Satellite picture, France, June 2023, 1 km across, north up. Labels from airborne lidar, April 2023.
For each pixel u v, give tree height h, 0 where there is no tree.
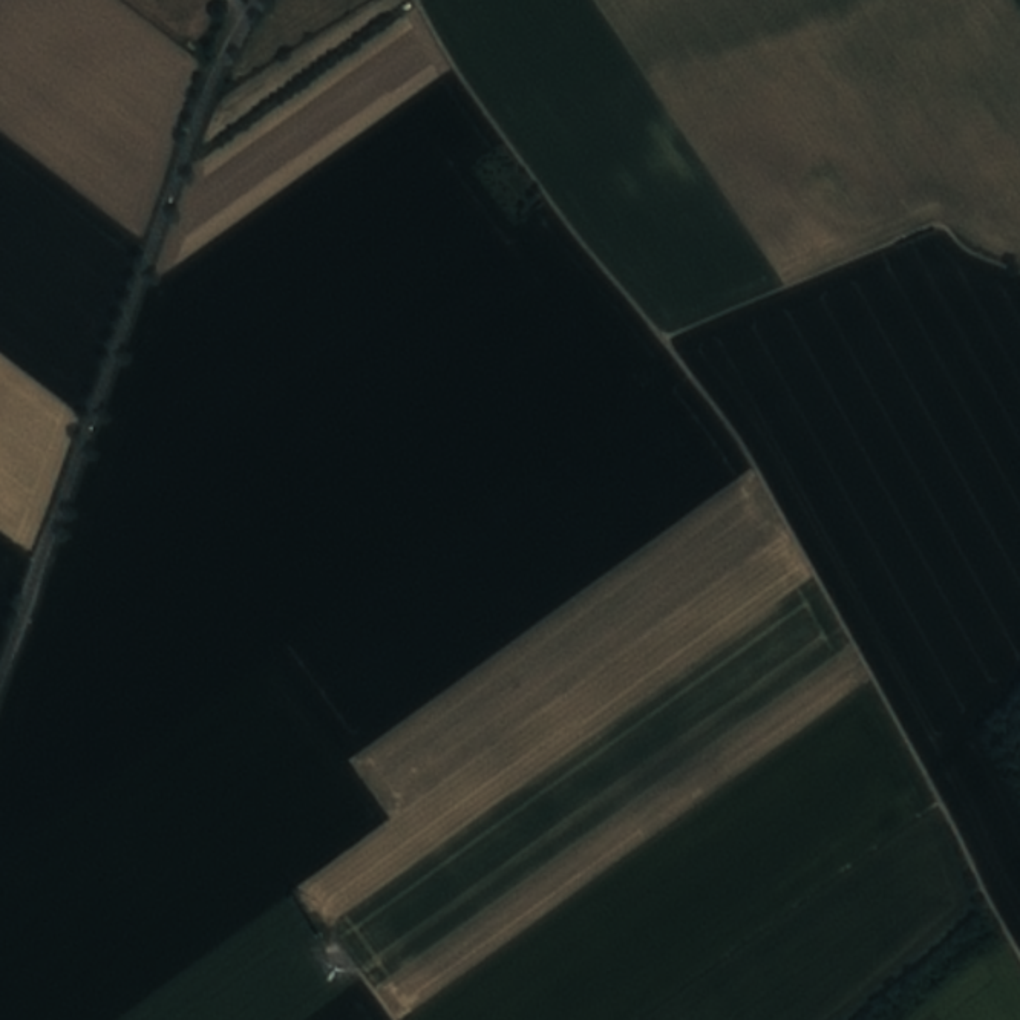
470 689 0
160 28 0
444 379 0
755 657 0
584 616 0
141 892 0
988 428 0
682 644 0
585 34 0
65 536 11
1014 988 0
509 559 0
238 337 0
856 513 0
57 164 0
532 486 0
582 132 0
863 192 0
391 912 0
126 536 0
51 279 0
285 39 0
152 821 0
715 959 0
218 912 0
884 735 0
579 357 0
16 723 0
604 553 0
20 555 0
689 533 0
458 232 0
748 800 0
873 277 0
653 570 0
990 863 0
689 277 0
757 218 0
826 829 0
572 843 0
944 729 0
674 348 0
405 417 0
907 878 0
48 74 0
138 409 0
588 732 0
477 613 0
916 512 0
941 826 0
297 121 0
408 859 0
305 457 0
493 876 0
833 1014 0
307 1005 0
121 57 0
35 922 0
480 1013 0
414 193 0
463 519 0
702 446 0
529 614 0
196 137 0
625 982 0
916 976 13
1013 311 0
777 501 0
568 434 0
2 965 0
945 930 0
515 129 0
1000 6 0
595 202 0
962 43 0
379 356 0
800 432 0
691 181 0
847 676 0
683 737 0
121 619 0
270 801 0
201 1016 0
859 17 0
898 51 0
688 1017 0
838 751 0
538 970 0
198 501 0
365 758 0
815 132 0
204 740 0
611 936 0
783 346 0
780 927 0
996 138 0
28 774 0
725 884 0
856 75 0
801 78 0
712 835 0
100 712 0
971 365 0
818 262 0
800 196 0
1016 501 0
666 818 0
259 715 0
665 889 0
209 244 0
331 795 0
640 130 0
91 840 0
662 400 0
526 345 0
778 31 0
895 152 0
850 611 0
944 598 0
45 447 0
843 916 0
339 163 0
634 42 0
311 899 0
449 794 0
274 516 0
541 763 0
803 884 0
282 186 0
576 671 0
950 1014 0
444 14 0
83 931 0
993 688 0
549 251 0
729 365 0
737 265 0
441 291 0
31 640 0
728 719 0
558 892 0
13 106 0
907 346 0
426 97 0
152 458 0
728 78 0
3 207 0
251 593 0
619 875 0
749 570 0
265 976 0
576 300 0
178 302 0
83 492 0
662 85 0
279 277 0
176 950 0
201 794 0
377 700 0
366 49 0
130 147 0
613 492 0
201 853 0
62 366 0
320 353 0
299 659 0
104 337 13
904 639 0
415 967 0
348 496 0
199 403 0
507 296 0
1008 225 0
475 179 0
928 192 0
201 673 0
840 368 0
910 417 0
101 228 0
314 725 0
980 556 0
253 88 0
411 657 0
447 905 0
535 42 0
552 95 0
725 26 0
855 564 0
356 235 0
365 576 0
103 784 0
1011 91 0
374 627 0
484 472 0
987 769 0
